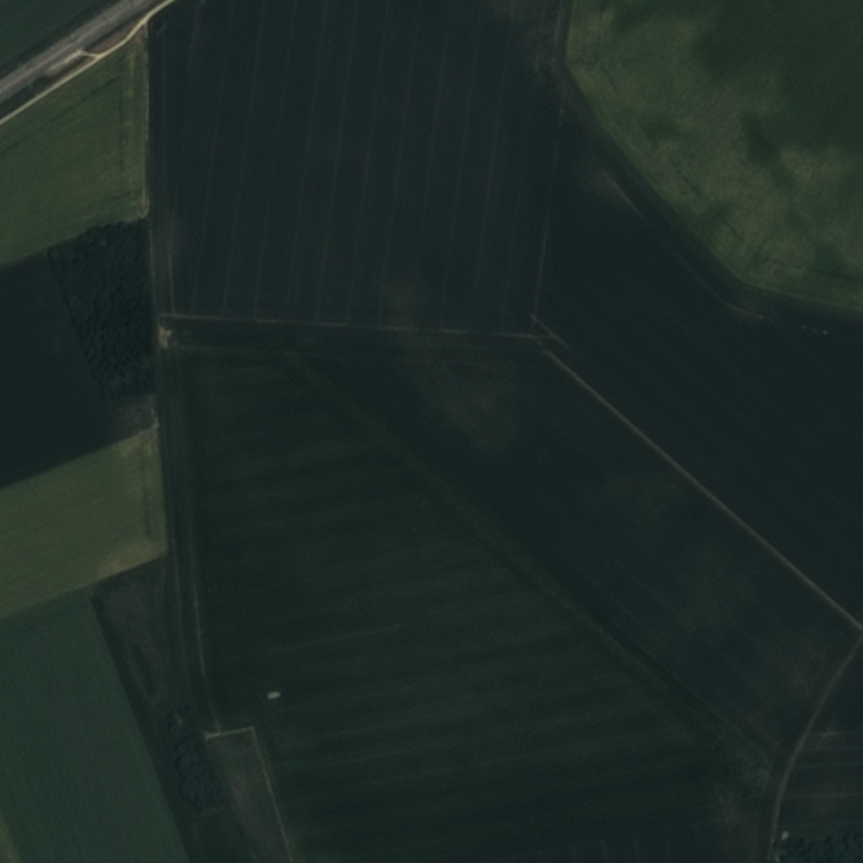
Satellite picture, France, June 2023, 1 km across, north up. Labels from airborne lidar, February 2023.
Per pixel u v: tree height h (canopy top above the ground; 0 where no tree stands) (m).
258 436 0
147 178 0
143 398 0
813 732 0
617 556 0
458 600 0
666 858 0
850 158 0
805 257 0
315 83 0
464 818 0
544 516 0
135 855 0
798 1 0
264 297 0
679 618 0
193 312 0
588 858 0
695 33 0
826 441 0
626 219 0
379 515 0
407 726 0
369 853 0
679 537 0
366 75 0
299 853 0
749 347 0
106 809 0
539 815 0
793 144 0
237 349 0
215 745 0
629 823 0
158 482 0
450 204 0
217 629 0
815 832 0
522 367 0
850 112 0
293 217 0
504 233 0
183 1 0
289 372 0
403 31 0
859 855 16
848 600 0
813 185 0
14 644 0
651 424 0
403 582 0
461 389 0
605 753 0
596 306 0
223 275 0
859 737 0
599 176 0
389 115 0
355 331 0
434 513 0
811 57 0
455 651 0
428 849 0
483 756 0
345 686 0
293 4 0
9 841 0
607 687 0
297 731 0
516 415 0
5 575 0
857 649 0
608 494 0
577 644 0
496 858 0
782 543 0
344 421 0
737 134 0
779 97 0
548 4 0
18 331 0
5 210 0
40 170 0
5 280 0
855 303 0
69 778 0
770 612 0
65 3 0
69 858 0
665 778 0
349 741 0
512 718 0
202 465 0
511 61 0
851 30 0
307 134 0
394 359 0
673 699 0
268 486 0
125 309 8
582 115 0
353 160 0
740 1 0
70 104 0
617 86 0
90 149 0
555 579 0
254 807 0
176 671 0
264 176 0
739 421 0
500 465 0
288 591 0
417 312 0
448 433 0
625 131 0
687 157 0
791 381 0
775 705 0
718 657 0
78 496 0
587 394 0
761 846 0
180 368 0
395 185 0
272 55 0
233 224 0
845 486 0
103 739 0
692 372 0
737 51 0
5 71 0
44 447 0
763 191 0
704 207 0
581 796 0
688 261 0
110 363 16
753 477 0
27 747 0
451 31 0
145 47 0
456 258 0
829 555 0
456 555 0
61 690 0
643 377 0
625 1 0
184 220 0
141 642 0
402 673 0
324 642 0
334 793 0
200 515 0
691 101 0
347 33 0
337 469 0
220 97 0
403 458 0
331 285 0
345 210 0
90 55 0
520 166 0
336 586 0
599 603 0
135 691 0
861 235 0
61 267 8
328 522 0
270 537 0
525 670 0
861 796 0
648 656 0
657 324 0
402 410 0
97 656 0
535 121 0
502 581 0
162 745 0
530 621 0
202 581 0
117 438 0
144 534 0
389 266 0
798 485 0
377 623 0
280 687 0
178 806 0
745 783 0
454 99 0
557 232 0
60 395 0
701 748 0
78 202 0
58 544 0
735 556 0
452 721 0
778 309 0
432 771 0
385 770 0
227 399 0
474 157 0
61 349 0
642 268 0
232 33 0
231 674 0
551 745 0
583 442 0
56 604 0
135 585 0
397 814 0
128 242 14
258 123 0
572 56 0
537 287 0
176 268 0
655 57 0
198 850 0
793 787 0
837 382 0
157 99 0
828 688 0
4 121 0
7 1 0
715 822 0
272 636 0
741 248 0
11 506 0
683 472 0
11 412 0
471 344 0
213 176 0
